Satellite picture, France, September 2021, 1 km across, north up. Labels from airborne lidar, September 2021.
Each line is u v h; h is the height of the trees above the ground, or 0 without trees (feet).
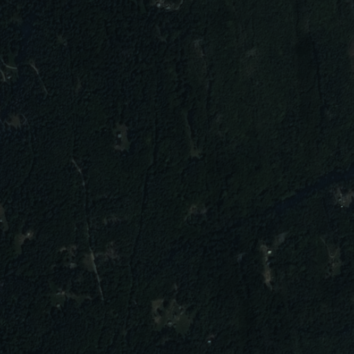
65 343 78
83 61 78
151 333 63
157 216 95
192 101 65
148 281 96
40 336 27
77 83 66
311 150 29
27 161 65
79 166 56
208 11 75
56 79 71
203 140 56
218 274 98
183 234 112
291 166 62
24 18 29
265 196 124
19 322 94
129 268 71
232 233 99
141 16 38
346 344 67
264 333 111
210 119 36
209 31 76
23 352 62
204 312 63
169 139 77
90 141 108
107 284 60
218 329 71
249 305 49
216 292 102
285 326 114
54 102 62
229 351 89
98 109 94
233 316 92
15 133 78
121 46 101
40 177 99
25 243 54
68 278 91
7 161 73
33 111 90
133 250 37
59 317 78
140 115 109
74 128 59
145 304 77
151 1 28
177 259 84
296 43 22
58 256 44
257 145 65
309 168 71
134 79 79
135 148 77
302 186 107
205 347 73
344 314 75
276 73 65
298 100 85
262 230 74
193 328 66
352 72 41
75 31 97
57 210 58
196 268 85
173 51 77
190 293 70
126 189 76
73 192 79
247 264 77
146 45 56
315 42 85
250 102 41
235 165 102
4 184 77
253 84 54
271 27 78
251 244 98
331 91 99
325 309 23
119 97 77
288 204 91
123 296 86
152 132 69
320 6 56
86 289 26
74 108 64
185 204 95
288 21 60
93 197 104
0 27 89
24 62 102
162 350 71
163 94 96
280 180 110
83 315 56
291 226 85
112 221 61
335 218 72
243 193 111
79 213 77
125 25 85
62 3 74
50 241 61
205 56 73
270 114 64
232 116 60
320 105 38
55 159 74
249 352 49
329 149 83
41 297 63
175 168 94
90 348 103
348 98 80
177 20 65
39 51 90
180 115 91
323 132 94
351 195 0
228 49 82
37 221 80
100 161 66
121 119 71
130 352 76
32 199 79
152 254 74
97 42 111
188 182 102
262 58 36
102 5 76
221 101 50
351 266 83
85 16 83
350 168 62
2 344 72
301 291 85
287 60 63
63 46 28
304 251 87
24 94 101
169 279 84
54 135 78
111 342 66
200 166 97
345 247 83
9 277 78
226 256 69
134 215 59
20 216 83
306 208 73
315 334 98
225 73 74
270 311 73
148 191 101
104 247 89
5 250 74
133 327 58
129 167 58
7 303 79
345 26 36
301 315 75
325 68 73
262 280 56
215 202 24
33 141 93
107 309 82
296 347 44
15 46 76
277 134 91
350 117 85
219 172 74
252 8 78
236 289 36
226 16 73
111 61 68
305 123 44
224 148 76
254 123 43
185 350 71
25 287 93
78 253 58
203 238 122
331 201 73
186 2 27
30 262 107
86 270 22
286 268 66
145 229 76
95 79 95
